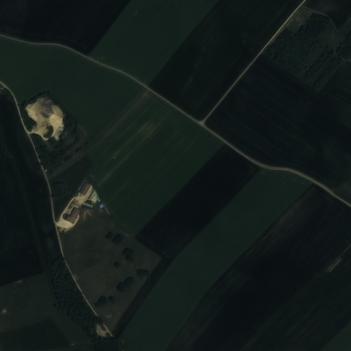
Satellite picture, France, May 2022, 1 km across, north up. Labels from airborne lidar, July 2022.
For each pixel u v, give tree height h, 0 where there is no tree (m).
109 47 0
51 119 0
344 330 0
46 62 0
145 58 0
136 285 0
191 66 0
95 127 0
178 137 0
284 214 0
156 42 0
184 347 0
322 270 0
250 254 0
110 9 0
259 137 0
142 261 0
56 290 12
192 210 0
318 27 15
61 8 0
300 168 0
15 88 0
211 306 0
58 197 13
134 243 0
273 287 0
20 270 0
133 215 0
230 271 0
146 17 0
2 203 0
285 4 0
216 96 0
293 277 0
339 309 0
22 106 11
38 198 0
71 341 0
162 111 0
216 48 0
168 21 0
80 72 0
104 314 0
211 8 0
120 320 0
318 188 0
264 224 0
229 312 0
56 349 0
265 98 0
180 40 0
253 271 0
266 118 0
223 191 0
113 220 0
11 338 0
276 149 0
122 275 0
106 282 0
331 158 0
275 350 0
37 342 0
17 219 0
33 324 0
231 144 0
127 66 0
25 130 0
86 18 0
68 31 0
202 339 0
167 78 0
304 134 0
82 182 0
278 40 12
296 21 0
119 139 0
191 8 0
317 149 0
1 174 0
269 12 0
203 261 0
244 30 0
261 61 0
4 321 0
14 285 0
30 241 0
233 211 0
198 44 0
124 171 0
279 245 0
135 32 0
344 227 0
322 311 0
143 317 0
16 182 0
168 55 0
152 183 0
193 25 0
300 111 0
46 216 0
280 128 0
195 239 0
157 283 0
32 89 0
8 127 0
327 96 0
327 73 16
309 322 0
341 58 13
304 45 22
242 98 0
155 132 0
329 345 0
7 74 0
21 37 0
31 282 0
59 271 10
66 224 0
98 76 0
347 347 0
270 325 0
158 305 0
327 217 0
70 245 0
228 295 0
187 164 0
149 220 0
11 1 0
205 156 0
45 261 0
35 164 0
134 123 0
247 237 0
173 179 0
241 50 0
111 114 0
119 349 15
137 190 0
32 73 0
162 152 0
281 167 0
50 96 8
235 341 0
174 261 0
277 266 0
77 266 0
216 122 0
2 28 0
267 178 0
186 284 0
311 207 0
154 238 0
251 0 0
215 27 0
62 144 13
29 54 0
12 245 0
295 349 0
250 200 0
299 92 0
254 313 0
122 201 0
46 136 0
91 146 0
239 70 0
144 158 0
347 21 0
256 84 0
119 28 0
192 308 0
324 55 10
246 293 0
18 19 0
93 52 0
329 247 0
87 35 0
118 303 0
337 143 0
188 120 0
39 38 0
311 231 0
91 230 0
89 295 0
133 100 0
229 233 0
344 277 0
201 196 0
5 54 0
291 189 0
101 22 0
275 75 0
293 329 0
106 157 0
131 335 0
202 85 0
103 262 0
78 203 0
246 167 0
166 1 0
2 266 0
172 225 0
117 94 0
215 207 0
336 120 0
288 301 0
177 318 0
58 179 0
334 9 0
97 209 0
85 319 11
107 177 0
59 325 0
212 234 0
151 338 0
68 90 0
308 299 0
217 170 0
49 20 0
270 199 0
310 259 0
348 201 0
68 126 12
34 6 0
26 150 0
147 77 0
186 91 0
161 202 0
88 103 0
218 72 0
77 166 0
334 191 0
